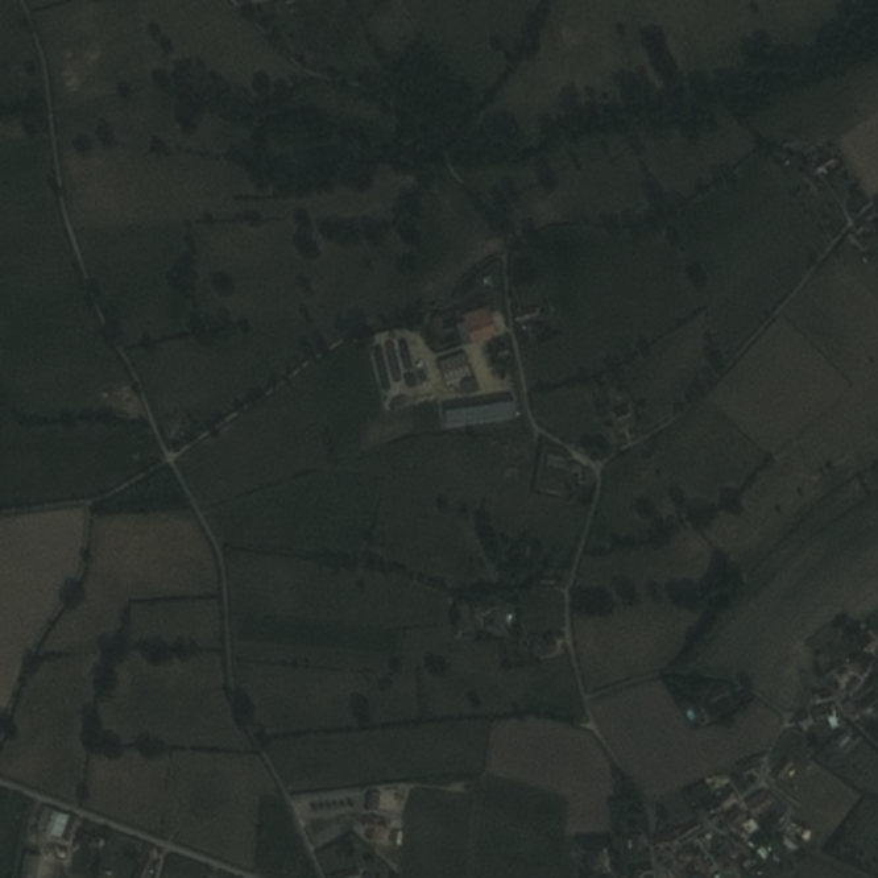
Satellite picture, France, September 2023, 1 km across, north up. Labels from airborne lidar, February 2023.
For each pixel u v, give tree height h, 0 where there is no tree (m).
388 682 8
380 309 0
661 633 0
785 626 0
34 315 0
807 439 0
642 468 0
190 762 0
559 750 0
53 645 0
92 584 0
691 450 0
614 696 0
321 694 0
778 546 0
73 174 0
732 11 0
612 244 0
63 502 0
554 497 0
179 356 0
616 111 17
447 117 13
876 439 0
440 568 0
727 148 0
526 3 0
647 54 15
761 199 0
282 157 0
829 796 0
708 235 0
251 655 0
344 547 0
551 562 11
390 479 0
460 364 0
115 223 0
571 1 0
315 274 0
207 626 0
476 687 0
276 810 0
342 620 0
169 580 0
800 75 27
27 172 0
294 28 0
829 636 0
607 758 0
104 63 0
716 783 0
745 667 0
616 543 13
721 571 22
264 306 0
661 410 0
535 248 0
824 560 0
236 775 0
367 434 0
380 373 0
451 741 0
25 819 0
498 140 25
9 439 0
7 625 0
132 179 0
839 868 0
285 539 0
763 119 0
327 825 0
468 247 0
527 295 0
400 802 0
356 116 0
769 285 0
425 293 0
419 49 11
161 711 0
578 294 0
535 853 0
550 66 0
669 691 7
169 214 0
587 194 0
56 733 0
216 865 0
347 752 0
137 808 0
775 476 0
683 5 0
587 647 0
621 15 0
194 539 0
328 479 0
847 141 0
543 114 0
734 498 18
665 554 0
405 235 21
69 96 0
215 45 0
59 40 0
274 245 0
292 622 0
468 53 0
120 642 16
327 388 0
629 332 0
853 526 0
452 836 0
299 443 0
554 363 0
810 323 0
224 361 0
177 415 0
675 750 0
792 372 0
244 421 0
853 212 6
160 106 0
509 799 0
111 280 0
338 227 18
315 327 0
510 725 0
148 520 0
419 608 0
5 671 0
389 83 14
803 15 0
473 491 0
